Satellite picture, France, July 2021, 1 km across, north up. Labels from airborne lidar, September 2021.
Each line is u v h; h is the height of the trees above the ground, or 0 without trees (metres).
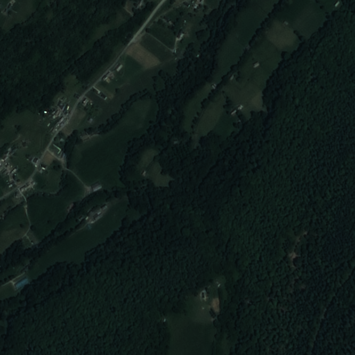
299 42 0
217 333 6
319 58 25
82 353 24
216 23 16
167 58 0
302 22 0
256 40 24
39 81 18
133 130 0
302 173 24
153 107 0
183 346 0
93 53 15
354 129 24
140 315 25
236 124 19
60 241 18
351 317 26
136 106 0
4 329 23
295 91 25
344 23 25
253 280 25
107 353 26
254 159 28
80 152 0
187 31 0
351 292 18
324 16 0
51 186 0
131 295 22
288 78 25
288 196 24
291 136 26
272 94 20
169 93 19
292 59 26
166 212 29
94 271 30
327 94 23
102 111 0
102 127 18
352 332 11
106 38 21
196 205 27
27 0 0
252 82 0
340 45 26
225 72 0
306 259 22
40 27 19
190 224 21
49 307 26
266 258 20
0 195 0
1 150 15
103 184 0
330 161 17
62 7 15
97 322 24
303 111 24
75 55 20
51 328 23
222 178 27
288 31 0
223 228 25
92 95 0
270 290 8
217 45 28
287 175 21
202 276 26
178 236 23
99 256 24
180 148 13
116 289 24
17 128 12
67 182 12
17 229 0
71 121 0
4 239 0
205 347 0
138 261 24
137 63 0
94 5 15
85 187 0
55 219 0
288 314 22
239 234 20
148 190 17
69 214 11
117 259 23
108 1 23
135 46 0
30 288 27
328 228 20
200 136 0
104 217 0
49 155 0
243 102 0
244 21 0
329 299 14
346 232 21
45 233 0
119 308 18
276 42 0
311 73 26
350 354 12
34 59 17
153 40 0
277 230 21
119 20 0
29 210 0
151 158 0
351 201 24
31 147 0
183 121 14
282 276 25
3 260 21
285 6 25
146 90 16
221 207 24
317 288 25
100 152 0
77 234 0
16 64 22
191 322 0
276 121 26
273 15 20
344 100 19
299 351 23
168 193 22
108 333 24
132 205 18
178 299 19
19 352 26
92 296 24
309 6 0
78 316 26
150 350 27
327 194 22
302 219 12
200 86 16
